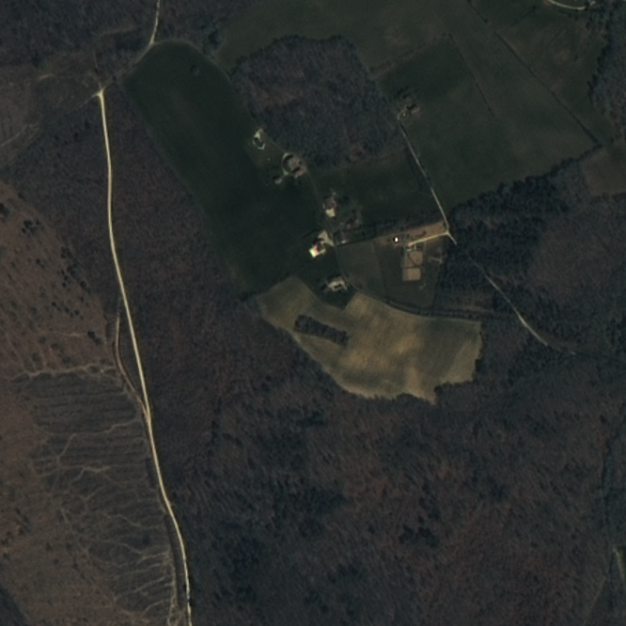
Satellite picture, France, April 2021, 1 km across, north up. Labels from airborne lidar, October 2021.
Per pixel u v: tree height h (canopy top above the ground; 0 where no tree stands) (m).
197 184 0
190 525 19
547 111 0
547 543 13
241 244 0
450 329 0
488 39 0
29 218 0
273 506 16
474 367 0
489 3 0
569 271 17
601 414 15
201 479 15
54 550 18
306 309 0
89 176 9
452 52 0
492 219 16
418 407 17
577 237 18
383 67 10
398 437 13
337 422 15
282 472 15
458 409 21
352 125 23
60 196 8
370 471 9
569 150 0
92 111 7
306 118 22
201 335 8
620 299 14
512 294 15
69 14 21
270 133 16
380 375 0
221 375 7
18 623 16
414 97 8
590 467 17
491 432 11
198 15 8
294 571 15
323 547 18
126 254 10
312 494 13
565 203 21
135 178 7
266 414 15
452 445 10
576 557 18
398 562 8
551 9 0
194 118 0
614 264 17
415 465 12
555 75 0
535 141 0
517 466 17
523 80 0
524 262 17
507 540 10
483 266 20
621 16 25
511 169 0
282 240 0
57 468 0
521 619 7
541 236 16
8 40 8
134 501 0
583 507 18
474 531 6
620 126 14
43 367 0
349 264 0
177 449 6
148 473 0
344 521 16
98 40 14
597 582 22
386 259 0
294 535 16
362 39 0
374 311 0
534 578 6
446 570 9
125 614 0
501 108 0
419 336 0
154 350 6
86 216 11
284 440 16
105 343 0
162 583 0
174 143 0
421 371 0
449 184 0
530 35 0
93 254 6
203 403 6
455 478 11
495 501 13
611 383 17
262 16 0
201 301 6
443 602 8
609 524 19
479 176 0
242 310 9
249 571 29
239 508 17
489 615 8
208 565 17
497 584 8
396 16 0
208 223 0
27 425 0
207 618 8
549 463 16
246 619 9
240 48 0
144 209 7
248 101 18
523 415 14
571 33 0
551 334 19
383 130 24
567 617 12
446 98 0
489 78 0
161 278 8
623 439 24
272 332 0
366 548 21
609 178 0
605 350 18
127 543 0
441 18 0
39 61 18
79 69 0
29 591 17
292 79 23
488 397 19
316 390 16
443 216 8
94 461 0
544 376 22
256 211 0
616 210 22
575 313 20
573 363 17
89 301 15
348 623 15
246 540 15
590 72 0
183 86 0
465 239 16
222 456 14
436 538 8
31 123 0
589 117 0
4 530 0
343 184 0
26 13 9
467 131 0
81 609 0
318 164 17
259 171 0
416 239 0
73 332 0
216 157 0
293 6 0
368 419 13
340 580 17
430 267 0
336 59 21
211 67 0
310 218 0
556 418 14
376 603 18
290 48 19
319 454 17
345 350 0
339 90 20
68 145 11
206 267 7
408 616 18
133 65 7
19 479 0
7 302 0
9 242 0
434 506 13
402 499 6
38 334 0
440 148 0
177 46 0
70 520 0
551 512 19
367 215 0
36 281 0
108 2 16
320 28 0
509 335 22
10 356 0
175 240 6
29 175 7
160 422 9
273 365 6
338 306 0
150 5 12
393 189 0
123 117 8
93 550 0
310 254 0
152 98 0
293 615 13
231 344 5
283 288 0
